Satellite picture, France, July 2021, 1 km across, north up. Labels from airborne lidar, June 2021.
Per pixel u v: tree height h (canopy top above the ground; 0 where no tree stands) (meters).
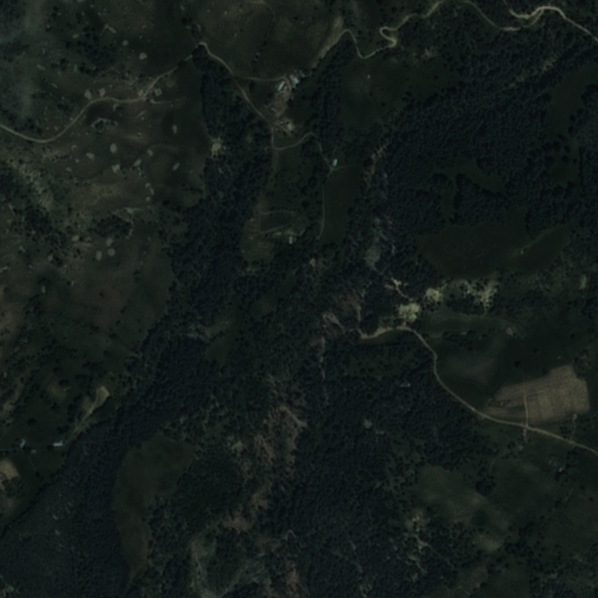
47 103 0
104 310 0
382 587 10
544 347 0
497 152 25
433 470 0
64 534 15
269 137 11
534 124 28
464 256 0
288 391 11
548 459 0
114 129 0
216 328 0
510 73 14
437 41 8
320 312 18
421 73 0
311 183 13
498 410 0
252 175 15
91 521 15
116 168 0
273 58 0
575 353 0
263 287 10
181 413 15
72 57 0
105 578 15
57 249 6
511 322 0
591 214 15
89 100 0
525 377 0
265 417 9
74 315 0
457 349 0
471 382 0
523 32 16
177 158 0
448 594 0
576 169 0
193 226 13
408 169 29
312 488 14
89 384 14
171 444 0
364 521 10
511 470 0
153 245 0
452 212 0
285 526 6
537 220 18
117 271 0
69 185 0
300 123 0
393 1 0
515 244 0
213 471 8
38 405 0
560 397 0
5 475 0
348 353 8
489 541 0
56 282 0
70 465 18
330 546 17
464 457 7
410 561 8
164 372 18
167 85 0
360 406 17
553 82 24
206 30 0
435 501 0
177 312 24
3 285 0
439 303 10
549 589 6
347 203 0
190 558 10
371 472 7
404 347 7
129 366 8
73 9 0
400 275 11
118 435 20
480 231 0
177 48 0
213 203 25
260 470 6
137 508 0
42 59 0
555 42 8
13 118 8
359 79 0
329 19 0
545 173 23
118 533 15
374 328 15
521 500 0
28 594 14
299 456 24
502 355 0
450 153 22
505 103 9
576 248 8
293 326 14
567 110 0
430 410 12
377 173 10
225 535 10
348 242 16
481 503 0
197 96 0
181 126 0
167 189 0
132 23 0
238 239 7
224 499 10
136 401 9
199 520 9
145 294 0
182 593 14
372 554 14
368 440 10
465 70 16
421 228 19
